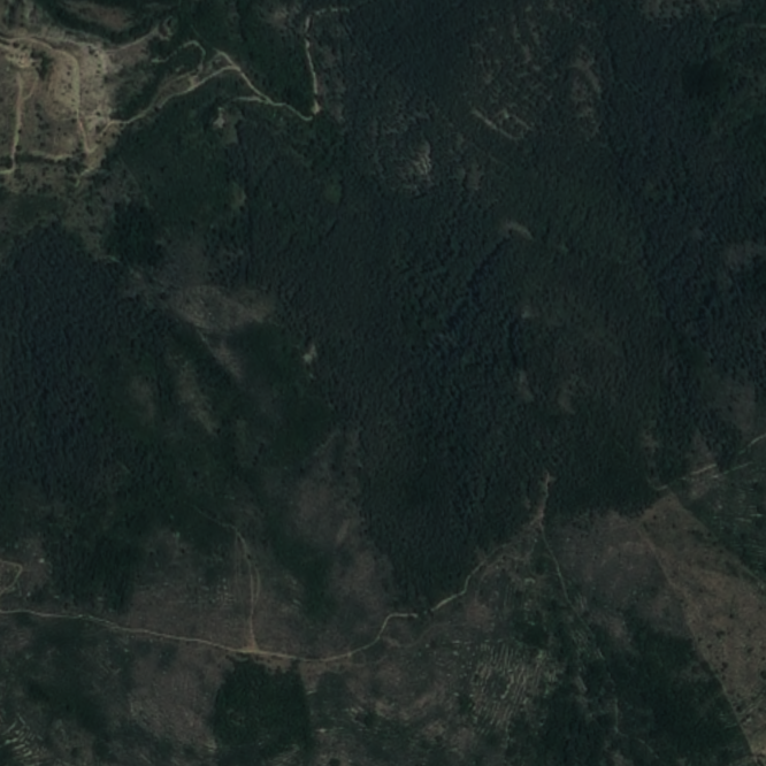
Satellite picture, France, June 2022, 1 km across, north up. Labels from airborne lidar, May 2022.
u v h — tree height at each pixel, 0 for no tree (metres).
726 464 9
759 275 13
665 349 15
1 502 10
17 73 0
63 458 13
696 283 13
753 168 12
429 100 8
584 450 11
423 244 13
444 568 11
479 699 0
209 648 0
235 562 0
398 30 12
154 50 10
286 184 15
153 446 7
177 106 10
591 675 9
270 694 9
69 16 12
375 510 10
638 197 15
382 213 17
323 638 0
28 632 0
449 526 12
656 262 19
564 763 8
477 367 11
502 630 0
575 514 7
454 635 0
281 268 15
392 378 12
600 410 7
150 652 0
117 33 10
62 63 0
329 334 14
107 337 15
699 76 14
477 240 14
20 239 9
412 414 7
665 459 11
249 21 10
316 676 0
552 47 12
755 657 0
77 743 0
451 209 15
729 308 15
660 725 12
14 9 8
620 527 0
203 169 6
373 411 8
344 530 0
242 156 10
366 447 10
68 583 10
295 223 6
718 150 17
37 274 12
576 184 16
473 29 13
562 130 10
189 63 8
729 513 0
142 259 7
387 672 0
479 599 0
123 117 7
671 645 7
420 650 0
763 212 7
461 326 15
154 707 0
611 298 12
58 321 12
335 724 0
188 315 0
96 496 10
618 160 22
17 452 13
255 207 9
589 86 10
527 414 11
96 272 15
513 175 12
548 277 12
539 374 8
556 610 8
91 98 0
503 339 17
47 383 11
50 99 0
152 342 6
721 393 0
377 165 11
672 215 13
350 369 13
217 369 10
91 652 0
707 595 0
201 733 0
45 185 7
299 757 0
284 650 0
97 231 8
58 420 18
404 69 10
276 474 0
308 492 0
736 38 6
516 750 6
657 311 14
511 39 10
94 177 9
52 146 0
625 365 16
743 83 13
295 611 0
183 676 0
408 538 9
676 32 10
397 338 20
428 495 16
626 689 8
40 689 7
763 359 11
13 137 0
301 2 6
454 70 11
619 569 0
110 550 10
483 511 9
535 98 11
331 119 6
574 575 0
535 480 9
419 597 8
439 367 16
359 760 0
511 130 9
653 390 9
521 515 10
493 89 8
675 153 15
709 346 15
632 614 7
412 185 9
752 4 11
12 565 0
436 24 14
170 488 6
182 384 0
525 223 13
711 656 0
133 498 8
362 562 0
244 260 10
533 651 6
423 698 0
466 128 9
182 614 0
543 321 6
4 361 9
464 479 14
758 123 7
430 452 13
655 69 15
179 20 6
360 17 13
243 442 0
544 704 9
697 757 7
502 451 11
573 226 14
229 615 0
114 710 0
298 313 10
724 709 7
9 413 10
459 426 14
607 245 13
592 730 7
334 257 17
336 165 10
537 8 11
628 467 9
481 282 13
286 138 9
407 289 18
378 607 0
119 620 0
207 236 8
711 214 13
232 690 11
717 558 0
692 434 10
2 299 12
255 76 8
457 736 0
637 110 12
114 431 8
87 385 10
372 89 12
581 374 9
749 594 0
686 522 0
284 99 10
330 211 13
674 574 0
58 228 16
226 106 8
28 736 0
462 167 9
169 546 0
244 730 9
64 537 7
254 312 0
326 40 6
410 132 11
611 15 11
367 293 20
